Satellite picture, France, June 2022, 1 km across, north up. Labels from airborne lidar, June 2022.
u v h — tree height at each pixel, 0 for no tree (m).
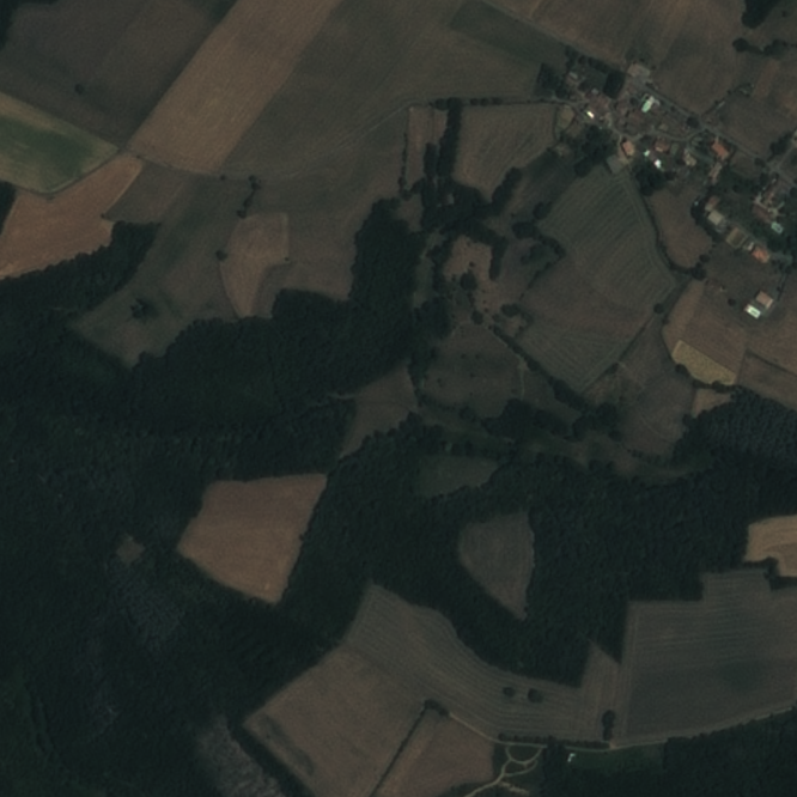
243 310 0
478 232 20
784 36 0
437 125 0
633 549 13
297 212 0
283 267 0
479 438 0
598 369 0
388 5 0
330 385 23
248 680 12
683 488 24
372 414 0
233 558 0
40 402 27
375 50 0
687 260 0
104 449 24
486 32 0
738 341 0
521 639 13
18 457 14
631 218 0
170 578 9
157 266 0
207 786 9
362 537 17
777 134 0
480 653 12
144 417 26
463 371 0
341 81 0
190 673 13
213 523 0
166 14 0
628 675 0
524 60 0
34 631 15
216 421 9
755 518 9
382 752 0
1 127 0
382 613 0
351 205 0
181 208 0
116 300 0
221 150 0
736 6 0
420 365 15
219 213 0
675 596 11
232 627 12
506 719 0
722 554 15
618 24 0
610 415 20
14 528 13
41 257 0
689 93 0
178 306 0
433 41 0
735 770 19
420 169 0
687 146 0
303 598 12
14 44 0
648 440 0
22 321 17
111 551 12
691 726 0
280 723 0
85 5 0
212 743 0
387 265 16
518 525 0
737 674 0
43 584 17
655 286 0
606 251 0
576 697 0
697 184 0
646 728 0
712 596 0
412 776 0
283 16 0
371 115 0
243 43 0
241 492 0
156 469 20
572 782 11
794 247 14
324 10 0
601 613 10
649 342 0
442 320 14
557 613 12
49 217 0
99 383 7
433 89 0
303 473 12
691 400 0
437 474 0
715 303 0
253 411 6
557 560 17
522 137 0
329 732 0
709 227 10
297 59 0
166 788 7
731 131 0
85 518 10
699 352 0
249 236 0
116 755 9
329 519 18
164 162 0
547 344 0
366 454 16
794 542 0
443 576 10
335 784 0
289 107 0
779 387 0
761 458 18
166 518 20
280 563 0
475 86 0
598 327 0
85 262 15
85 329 0
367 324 7
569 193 0
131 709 10
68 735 14
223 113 0
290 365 15
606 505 17
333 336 20
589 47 0
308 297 13
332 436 20
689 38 0
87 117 0
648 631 0
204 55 0
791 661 0
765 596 0
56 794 19
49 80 0
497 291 0
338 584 14
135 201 0
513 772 0
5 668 17
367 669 0
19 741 17
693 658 0
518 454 21
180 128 0
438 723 0
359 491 19
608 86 8
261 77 0
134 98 0
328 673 0
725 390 9
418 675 0
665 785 9
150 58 0
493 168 0
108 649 16
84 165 0
